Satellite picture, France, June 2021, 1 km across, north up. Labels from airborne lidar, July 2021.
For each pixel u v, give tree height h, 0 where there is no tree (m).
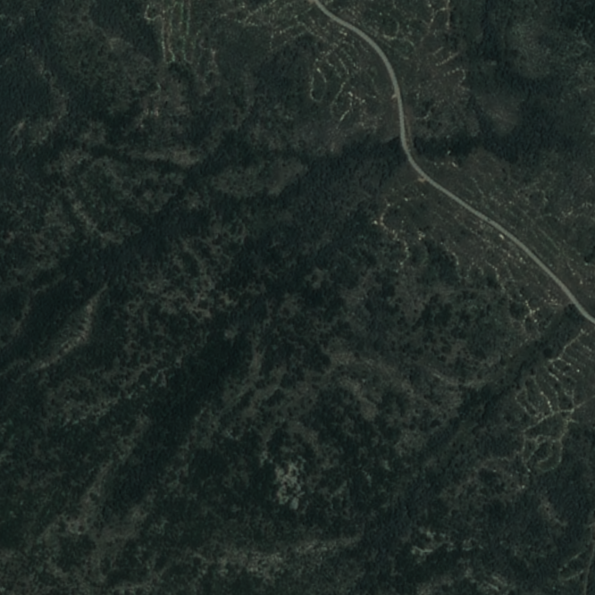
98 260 7
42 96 7
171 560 0
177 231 10
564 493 8
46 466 6
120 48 0
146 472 6
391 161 7
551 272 0
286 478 0
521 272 0
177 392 6
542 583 7
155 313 6
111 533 0
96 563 0
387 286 7
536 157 8
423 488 6
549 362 0
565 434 0
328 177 8
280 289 10
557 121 8
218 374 7
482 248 0
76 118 7
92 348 6
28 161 8
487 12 9
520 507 7
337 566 8
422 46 0
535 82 10
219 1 0
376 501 7
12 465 8
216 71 0
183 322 7
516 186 0
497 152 10
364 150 11
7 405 6
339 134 0
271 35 0
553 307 0
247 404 8
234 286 7
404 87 0
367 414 0
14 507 0
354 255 6
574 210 0
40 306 6
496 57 8
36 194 7
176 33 0
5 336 7
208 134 7
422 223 0
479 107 7
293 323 7
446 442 10
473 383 0
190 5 0
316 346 6
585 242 0
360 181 7
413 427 6
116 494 9
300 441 6
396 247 5
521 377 10
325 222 7
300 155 8
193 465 6
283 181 0
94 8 6
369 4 0
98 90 6
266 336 7
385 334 6
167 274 7
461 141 8
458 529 6
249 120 9
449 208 0
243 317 11
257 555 0
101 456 6
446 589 6
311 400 7
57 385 6
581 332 0
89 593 0
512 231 0
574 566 6
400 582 6
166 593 0
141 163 5
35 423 6
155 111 0
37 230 7
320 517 6
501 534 9
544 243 0
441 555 6
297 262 8
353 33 0
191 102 7
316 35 0
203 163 6
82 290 8
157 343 6
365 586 8
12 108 7
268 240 10
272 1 0
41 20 8
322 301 9
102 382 6
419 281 7
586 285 0
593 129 0
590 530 7
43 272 6
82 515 0
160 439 9
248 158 10
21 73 6
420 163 0
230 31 0
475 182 0
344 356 0
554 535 7
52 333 8
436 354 6
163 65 0
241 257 10
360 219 7
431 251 9
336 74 0
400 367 6
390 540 8
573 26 6
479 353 6
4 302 7
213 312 6
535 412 5
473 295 6
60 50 6
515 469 6
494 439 6
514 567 6
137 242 7
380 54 0
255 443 6
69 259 6
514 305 7
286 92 6
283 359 7
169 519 6
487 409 9
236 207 8
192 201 0
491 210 0
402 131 0
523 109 9
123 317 5
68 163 0
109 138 7
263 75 8
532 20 0
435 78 0
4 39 7
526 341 0
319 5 0
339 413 7
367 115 0
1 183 6
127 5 9
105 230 6
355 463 7
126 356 7
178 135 6
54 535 0
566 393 0
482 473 7
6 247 7
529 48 0
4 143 6
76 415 9
